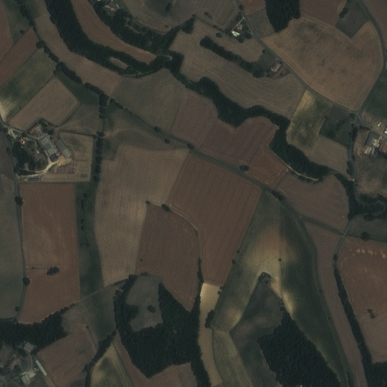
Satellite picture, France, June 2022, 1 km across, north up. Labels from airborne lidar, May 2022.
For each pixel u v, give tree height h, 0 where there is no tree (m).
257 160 0
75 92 0
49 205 0
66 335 14
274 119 14
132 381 0
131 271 0
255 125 0
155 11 0
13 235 0
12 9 0
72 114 0
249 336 0
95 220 0
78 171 0
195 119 0
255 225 0
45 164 0
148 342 17
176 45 0
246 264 0
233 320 0
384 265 0
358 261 0
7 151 10
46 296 0
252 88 0
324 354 0
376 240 0
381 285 0
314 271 0
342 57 0
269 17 9
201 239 0
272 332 0
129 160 0
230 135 0
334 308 0
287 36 0
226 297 0
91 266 0
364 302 0
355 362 0
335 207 0
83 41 14
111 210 0
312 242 0
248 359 0
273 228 0
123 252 0
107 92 0
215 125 0
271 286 0
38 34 0
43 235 0
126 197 0
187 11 0
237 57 10
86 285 0
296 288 0
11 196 0
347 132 0
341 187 0
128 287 14
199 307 16
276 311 0
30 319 0
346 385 0
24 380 0
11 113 0
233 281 0
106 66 9
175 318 16
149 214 0
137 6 0
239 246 0
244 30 8
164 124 0
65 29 12
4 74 0
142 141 0
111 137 0
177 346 16
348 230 0
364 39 0
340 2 0
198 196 0
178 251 0
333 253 0
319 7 0
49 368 0
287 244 0
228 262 0
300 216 0
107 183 0
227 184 0
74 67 0
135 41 11
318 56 0
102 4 12
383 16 0
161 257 0
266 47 0
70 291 0
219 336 0
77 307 0
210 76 0
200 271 8
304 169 10
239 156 0
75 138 0
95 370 0
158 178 0
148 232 0
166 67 10
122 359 0
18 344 15
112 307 0
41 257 0
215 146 0
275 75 0
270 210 0
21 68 0
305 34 0
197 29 0
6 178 0
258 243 0
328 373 20
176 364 14
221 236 0
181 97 0
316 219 0
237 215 0
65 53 0
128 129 0
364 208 8
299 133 0
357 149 0
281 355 20
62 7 17
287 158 10
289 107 0
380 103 0
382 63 0
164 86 0
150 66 10
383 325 0
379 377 11
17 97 0
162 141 0
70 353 0
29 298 0
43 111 0
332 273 0
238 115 10
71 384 0
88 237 0
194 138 0
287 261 0
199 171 0
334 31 0
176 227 0
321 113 0
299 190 0
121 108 13
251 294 0
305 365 21
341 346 0
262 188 0
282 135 14
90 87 13
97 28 0
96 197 0
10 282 0
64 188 0
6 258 0
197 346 21
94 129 0
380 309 0
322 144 0
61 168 0
